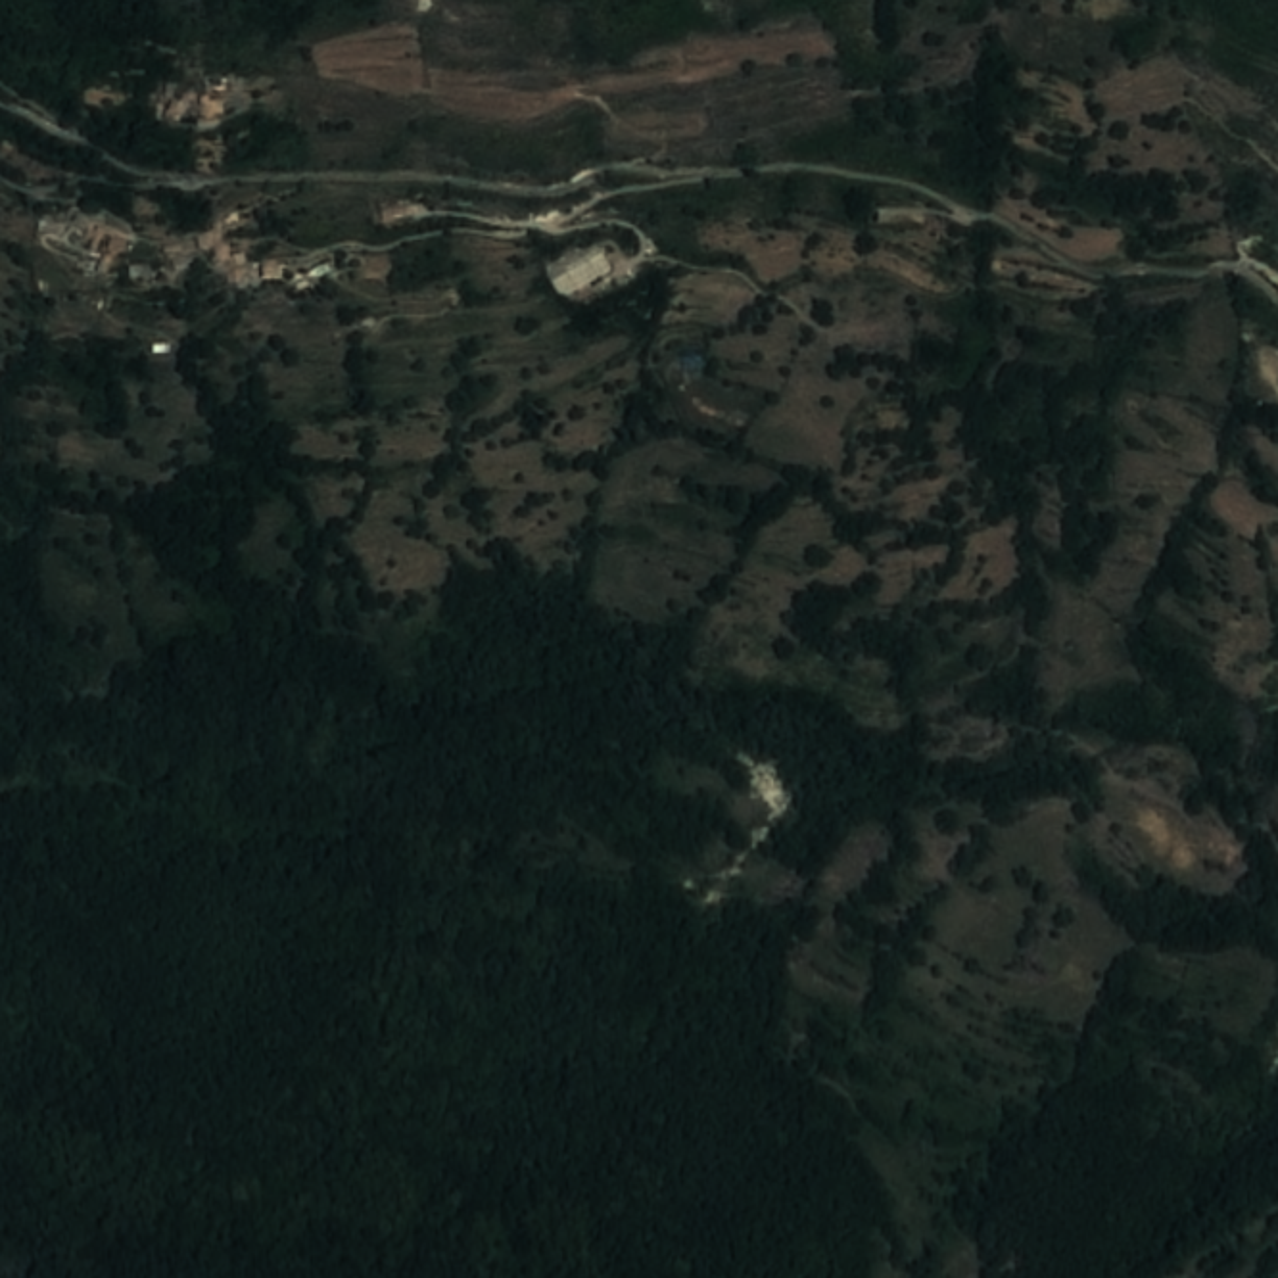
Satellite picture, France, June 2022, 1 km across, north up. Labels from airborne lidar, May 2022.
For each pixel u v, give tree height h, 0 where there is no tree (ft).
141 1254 44
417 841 32
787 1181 59
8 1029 34
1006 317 34
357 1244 44
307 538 26
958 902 0
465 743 39
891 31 42
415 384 0
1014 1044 18
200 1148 40
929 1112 33
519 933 23
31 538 51
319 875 57
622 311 30
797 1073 29
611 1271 53
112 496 51
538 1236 49
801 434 0
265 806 37
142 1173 43
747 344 0
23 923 31
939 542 31
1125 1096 43
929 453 38
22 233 0
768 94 0
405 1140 38
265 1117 48
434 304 0
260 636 55
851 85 25
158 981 44
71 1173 53
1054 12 0
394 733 40
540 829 24
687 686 67
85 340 39
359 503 40
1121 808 0
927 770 28
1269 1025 34
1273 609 24
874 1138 0
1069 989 0
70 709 45
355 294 0
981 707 21
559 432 39
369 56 0
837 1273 54
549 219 0
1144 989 0
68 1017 31
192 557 63
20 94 30
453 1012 31
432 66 0
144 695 22
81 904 50
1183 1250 30
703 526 39
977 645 23
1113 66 0
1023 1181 56
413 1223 25
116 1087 44
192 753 43
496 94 0
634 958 33
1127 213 46
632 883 27
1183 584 46
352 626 45
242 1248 52
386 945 41
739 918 37
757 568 0
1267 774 22
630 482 0
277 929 39
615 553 0
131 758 29
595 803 34
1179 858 0
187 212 21
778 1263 52
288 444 49
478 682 41
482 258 0
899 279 0
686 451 0
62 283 0
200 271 30
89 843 50
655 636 39
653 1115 47
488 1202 63
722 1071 44
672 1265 43
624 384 37
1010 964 23
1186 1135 26
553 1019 19
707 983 28
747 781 44
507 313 0
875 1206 55
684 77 0
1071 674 0
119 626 0
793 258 0
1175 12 29
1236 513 0
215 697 70
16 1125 36
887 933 56
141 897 52
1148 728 20
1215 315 0
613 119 0
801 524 0
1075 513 43
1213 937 59
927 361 18
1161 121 35
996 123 24
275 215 26
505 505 0
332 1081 45
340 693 59
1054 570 29
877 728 23
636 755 47
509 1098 40
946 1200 33
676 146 0
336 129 26
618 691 47
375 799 55
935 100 24
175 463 33
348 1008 50
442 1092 35
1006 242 41
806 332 27
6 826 59
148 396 29
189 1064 43
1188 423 0
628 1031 43
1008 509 35
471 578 59
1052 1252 45
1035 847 0
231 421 53
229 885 43
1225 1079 37
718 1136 50
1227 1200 44
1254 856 48
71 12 50
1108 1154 46
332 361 0
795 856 45
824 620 61
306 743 21
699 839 37
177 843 32
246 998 43
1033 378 37
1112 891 48
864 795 32
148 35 42
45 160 31
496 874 26
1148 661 26
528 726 23
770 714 66
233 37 18
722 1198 46
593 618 53
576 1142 57
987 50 26
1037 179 0
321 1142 57
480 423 35
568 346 17
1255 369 0
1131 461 0
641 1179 45
